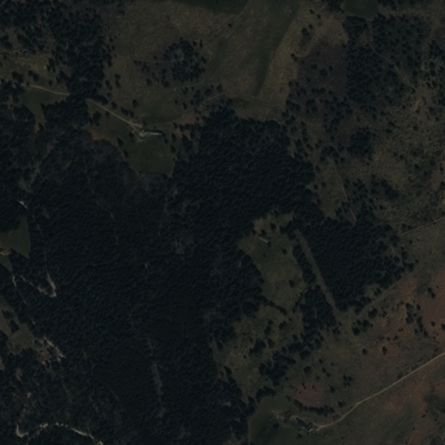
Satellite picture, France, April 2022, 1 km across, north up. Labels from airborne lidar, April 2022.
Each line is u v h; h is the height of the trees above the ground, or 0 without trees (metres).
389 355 0
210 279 25
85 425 23
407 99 0
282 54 0
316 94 12
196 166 17
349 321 0
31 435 19
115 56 6
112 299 15
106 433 18
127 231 11
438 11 0
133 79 0
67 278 21
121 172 13
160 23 0
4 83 17
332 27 0
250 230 22
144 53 0
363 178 0
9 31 0
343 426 0
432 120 0
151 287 17
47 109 10
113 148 20
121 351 19
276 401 0
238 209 20
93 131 0
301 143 17
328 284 20
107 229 11
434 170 0
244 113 0
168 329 20
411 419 0
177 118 0
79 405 25
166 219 11
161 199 14
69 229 16
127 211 12
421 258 0
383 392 0
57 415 27
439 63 0
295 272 0
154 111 0
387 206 0
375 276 11
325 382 0
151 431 22
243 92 0
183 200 16
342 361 0
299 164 21
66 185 18
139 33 0
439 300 0
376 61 8
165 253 13
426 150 0
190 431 22
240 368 0
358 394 0
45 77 0
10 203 21
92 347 19
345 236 14
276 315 0
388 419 0
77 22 9
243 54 0
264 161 23
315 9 0
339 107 15
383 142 0
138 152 0
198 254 17
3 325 0
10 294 29
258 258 0
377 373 0
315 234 16
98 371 18
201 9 0
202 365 23
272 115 0
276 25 0
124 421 20
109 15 0
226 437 31
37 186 15
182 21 0
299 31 0
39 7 18
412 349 0
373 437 0
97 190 13
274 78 0
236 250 21
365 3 0
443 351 0
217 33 0
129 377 19
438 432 0
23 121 16
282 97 0
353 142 13
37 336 18
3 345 24
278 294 0
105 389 23
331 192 0
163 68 0
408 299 0
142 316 9
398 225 0
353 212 0
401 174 0
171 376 19
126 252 14
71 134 9
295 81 0
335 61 0
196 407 19
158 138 8
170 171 0
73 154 21
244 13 0
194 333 23
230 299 22
